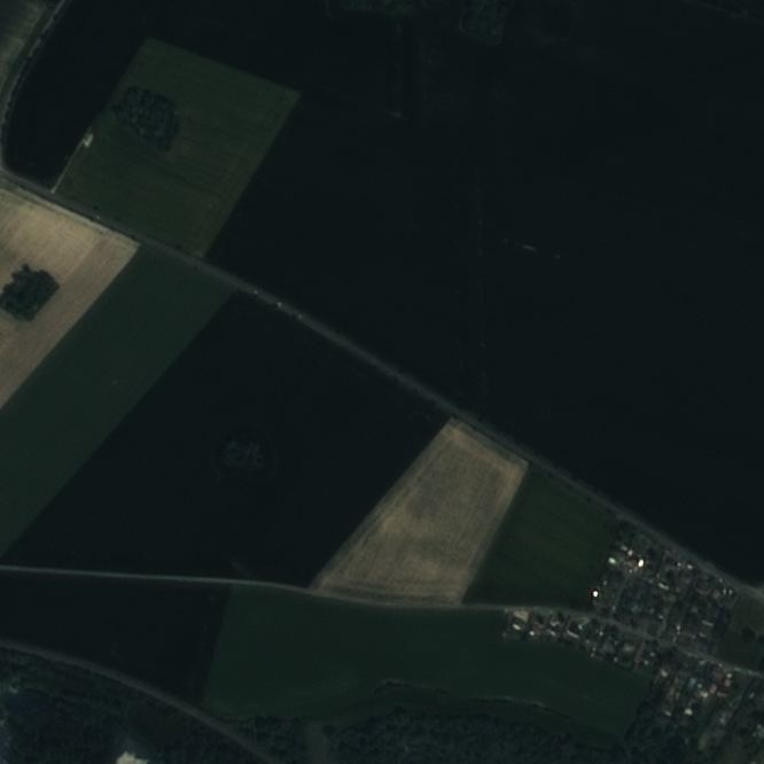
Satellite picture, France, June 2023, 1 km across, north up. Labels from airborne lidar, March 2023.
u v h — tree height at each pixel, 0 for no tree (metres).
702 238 0
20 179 0
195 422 0
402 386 0
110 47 0
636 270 0
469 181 0
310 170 0
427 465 0
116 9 0
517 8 0
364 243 0
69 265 0
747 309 0
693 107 0
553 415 0
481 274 0
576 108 0
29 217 0
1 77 0
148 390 0
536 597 0
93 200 0
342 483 0
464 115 0
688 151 0
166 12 0
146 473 0
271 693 0
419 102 0
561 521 0
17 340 0
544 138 0
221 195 0
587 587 0
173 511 0
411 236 0
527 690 0
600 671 0
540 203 0
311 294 0
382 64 0
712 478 0
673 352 0
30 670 16
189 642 0
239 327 0
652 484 0
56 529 0
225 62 0
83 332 0
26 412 0
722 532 0
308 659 0
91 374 0
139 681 0
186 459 0
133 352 0
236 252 0
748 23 0
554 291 0
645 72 0
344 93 0
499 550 0
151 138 15
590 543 0
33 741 20
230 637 0
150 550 0
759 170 0
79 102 0
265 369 0
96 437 0
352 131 0
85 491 0
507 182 0
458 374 0
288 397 0
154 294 0
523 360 0
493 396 0
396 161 0
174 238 0
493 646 0
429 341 0
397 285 0
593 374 0
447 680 0
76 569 0
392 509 0
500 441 0
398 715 13
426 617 0
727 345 0
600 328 0
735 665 0
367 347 0
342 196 0
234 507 0
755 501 0
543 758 6
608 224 0
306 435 0
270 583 0
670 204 0
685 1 0
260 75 0
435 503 0
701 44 0
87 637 0
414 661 0
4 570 0
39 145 0
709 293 0
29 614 0
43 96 0
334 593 0
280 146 0
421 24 0
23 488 0
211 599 0
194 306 0
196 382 0
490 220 0
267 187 0
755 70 0
